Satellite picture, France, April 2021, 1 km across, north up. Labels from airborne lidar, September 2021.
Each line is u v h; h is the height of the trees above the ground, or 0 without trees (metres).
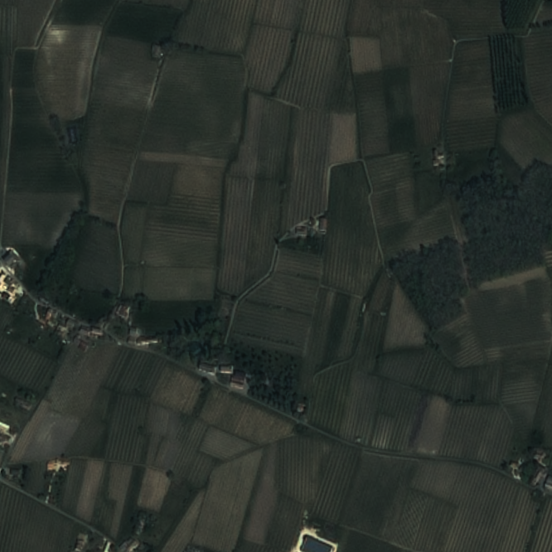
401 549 0
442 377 0
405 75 0
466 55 0
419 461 0
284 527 0
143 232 0
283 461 0
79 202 0
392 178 0
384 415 0
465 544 0
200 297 0
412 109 0
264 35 0
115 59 0
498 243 21
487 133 0
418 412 0
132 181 0
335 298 0
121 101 0
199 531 0
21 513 0
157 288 0
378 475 0
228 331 0
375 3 0
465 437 0
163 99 0
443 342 0
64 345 8
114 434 0
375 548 0
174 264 0
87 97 0
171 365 0
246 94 0
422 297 17
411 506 0
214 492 0
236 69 0
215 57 0
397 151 0
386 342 0
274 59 0
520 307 0
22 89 0
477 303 0
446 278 19
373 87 0
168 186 0
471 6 0
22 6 0
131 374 0
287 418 0
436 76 0
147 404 0
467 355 0
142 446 0
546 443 0
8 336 0
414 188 0
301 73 0
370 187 0
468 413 0
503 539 0
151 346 9
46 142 0
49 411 0
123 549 0
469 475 0
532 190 16
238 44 0
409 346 0
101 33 0
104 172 0
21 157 0
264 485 0
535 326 0
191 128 0
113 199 0
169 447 0
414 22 0
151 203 0
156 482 0
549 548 0
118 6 0
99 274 0
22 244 0
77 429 0
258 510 0
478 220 20
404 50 0
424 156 0
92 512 0
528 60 0
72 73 0
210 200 0
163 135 0
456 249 18
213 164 0
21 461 0
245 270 0
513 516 0
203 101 0
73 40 0
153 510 0
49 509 0
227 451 0
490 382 0
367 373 0
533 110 0
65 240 14
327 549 0
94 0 0
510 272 18
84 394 0
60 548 0
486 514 0
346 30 0
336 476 0
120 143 0
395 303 0
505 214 24
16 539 0
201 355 7
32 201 0
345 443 0
